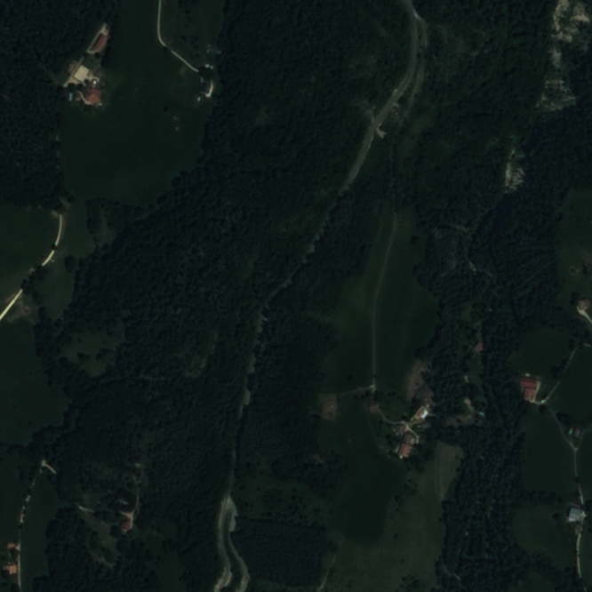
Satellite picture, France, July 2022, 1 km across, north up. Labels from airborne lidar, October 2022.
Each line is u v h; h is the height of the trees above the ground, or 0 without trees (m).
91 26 13
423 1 12
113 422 16
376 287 0
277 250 14
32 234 0
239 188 28
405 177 16
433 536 0
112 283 17
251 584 6
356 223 24
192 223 22
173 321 14
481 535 12
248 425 28
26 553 0
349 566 0
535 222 24
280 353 26
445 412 30
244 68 25
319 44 9
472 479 20
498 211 21
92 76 0
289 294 22
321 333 14
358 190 13
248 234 15
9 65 26
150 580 21
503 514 23
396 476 0
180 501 14
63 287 0
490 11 26
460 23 12
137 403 14
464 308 11
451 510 18
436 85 11
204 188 32
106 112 0
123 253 31
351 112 9
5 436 0
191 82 0
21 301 0
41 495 0
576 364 0
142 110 0
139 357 14
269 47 14
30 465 0
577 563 6
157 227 28
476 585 27
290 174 32
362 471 0
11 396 0
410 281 0
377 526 0
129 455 10
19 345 0
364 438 0
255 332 24
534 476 0
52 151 24
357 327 0
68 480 23
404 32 9
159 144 0
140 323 25
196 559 26
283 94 9
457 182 6
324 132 7
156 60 0
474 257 26
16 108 13
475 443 30
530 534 0
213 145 31
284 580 14
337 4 26
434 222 13
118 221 10
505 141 17
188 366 11
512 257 19
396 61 13
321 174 10
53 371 26
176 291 18
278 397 32
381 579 0
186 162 0
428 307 0
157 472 8
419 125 0
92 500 7
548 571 18
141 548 15
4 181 23
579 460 0
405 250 0
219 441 29
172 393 12
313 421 21
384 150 8
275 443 19
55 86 18
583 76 19
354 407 0
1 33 28
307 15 20
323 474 18
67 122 0
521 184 0
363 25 16
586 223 0
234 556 7
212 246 10
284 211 8
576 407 0
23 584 0
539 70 28
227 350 30
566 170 35
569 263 0
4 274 0
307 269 26
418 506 0
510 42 8
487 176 21
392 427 7
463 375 8
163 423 10
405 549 0
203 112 0
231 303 15
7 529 0
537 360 0
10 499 0
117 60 0
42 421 0
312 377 25
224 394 31
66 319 10
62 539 21
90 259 7
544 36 15
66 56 13
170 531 0
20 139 25
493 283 18
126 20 0
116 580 18
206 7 0
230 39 19
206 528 17
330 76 18
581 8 0
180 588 0
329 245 25
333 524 0
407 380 0
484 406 15
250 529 16
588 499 0
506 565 28
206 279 24
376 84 14
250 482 0
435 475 0
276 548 24
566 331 5
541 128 10
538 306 27
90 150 0
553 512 0
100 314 26
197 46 10
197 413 28
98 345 0
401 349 0
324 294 16
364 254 23
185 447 17
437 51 11
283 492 11
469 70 15
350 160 16
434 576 0
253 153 21
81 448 25
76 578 18
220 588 0
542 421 0
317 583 10
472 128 22
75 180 0
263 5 24
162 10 0
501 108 17
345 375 0
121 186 0
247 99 19
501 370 19
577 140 29
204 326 9
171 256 27
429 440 13
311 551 24
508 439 17
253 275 11
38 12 23
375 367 0
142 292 20
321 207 15
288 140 17
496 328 30
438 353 13
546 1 16
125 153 0
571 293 0
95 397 27
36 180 23
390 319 0
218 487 26
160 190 0
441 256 22
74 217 0
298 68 16
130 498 17
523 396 15
